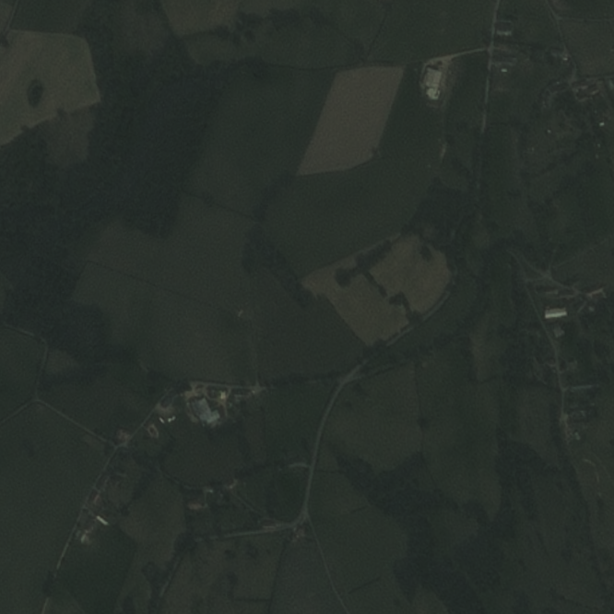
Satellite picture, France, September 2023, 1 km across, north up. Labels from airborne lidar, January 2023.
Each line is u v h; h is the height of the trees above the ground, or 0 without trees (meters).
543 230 0
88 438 0
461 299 0
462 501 0
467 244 0
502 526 22
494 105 0
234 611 0
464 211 18
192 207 0
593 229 7
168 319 0
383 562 0
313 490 0
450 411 0
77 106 0
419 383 0
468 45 0
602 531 0
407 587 21
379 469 0
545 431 0
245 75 0
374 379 0
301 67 0
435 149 0
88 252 0
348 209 0
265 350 0
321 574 0
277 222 0
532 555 0
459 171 14
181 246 0
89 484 0
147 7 0
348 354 0
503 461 16
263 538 0
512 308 0
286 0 0
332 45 0
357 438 0
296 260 0
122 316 0
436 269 0
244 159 0
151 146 23
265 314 0
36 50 0
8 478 0
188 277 0
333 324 0
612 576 0
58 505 0
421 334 0
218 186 0
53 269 9
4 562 0
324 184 0
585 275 0
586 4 0
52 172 11
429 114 0
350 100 0
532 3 0
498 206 0
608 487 0
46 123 0
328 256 0
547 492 0
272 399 0
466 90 0
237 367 0
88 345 20
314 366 0
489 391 0
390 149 0
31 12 0
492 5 0
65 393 0
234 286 0
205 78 20
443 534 0
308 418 0
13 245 27
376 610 0
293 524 0
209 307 0
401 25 0
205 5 0
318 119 0
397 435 0
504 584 0
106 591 0
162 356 0
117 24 0
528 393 0
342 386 0
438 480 0
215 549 0
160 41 0
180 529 0
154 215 15
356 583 0
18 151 6
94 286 0
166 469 6
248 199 0
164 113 24
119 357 17
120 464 0
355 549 0
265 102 0
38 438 0
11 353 0
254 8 0
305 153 0
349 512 0
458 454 0
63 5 0
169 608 0
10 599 0
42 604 0
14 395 0
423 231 13
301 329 0
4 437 0
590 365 0
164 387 0
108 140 8
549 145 0
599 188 0
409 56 0
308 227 0
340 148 0
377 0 0
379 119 0
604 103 0
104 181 9
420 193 0
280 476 0
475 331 0
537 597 0
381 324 0
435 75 0
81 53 0
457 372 0
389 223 0
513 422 0
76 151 0
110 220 0
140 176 22
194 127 18
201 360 0
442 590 23
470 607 24
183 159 24
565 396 0
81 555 0
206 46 0
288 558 0
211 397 0
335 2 0
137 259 0
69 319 16
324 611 0
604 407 0
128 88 0
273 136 0
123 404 0
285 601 0
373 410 0
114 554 0
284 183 13
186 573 0
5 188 6
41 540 0
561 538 0
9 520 0
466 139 0
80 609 0
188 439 0
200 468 0
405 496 25
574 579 0
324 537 0
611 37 0
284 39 0
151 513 0
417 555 23
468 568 24
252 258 17
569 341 0
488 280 11
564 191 15
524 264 0
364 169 0
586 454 0
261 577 0
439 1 0
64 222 21
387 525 0
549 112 0
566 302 12
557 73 0
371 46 0
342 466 15
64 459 0
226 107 0
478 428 0
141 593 0
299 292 10
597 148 0
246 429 12
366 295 0
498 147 0
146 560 0
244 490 0
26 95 0
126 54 0
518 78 0
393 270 0
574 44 0
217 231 0
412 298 0
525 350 7
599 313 16
